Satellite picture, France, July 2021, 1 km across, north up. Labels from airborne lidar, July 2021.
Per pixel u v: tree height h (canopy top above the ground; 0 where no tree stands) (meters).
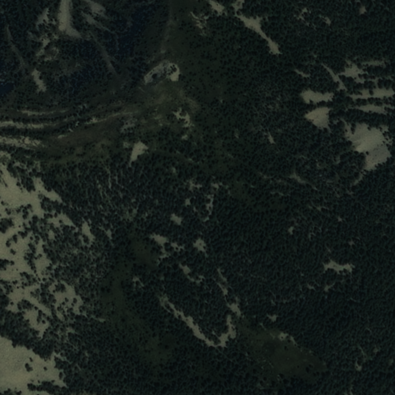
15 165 0
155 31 0
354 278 7
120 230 10
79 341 13
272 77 17
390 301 23
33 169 10
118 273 0
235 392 17
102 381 13
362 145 0
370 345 22
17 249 0
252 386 18
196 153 7
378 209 9
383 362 24
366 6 19
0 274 0
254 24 0
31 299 0
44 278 11
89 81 7
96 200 16
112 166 12
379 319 24
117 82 0
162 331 15
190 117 0
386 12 26
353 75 0
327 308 17
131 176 16
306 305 22
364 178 11
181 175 18
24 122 12
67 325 8
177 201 16
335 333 21
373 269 21
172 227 14
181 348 10
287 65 14
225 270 8
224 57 13
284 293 17
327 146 8
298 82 19
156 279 13
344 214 21
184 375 21
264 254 10
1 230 9
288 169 13
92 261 11
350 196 12
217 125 8
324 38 17
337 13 10
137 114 0
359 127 0
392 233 23
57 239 10
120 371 17
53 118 7
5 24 8
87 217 18
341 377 27
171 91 0
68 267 17
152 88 0
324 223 16
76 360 14
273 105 8
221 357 24
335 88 18
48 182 15
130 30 6
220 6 0
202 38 10
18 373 0
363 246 10
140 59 7
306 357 0
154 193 15
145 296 13
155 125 0
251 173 15
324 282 16
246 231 18
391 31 12
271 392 28
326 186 15
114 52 12
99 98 0
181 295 12
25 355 0
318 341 9
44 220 10
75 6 11
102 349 15
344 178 19
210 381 20
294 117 11
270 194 12
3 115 9
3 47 7
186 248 10
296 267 7
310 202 15
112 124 0
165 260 11
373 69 20
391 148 8
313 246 21
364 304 22
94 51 9
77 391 9
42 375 0
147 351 6
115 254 12
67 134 0
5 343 0
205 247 10
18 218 0
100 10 0
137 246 0
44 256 0
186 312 13
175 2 0
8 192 0
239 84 10
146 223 12
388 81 16
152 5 7
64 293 0
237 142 11
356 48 14
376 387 21
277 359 0
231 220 17
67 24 0
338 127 19
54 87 10
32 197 0
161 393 11
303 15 13
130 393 13
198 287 18
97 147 0
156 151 0
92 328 12
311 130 9
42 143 0
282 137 13
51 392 13
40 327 0
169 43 0
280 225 17
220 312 10
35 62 12
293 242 17
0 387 0
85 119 8
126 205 14
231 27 9
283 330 12
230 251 10
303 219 17
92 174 13
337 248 19
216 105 6
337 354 9
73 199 18
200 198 15
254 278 11
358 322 16
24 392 0
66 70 0
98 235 10
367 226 21
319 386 16
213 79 11
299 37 12
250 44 15
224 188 6
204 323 18
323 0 10
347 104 14
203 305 23
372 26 15
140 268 13
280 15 23
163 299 0
